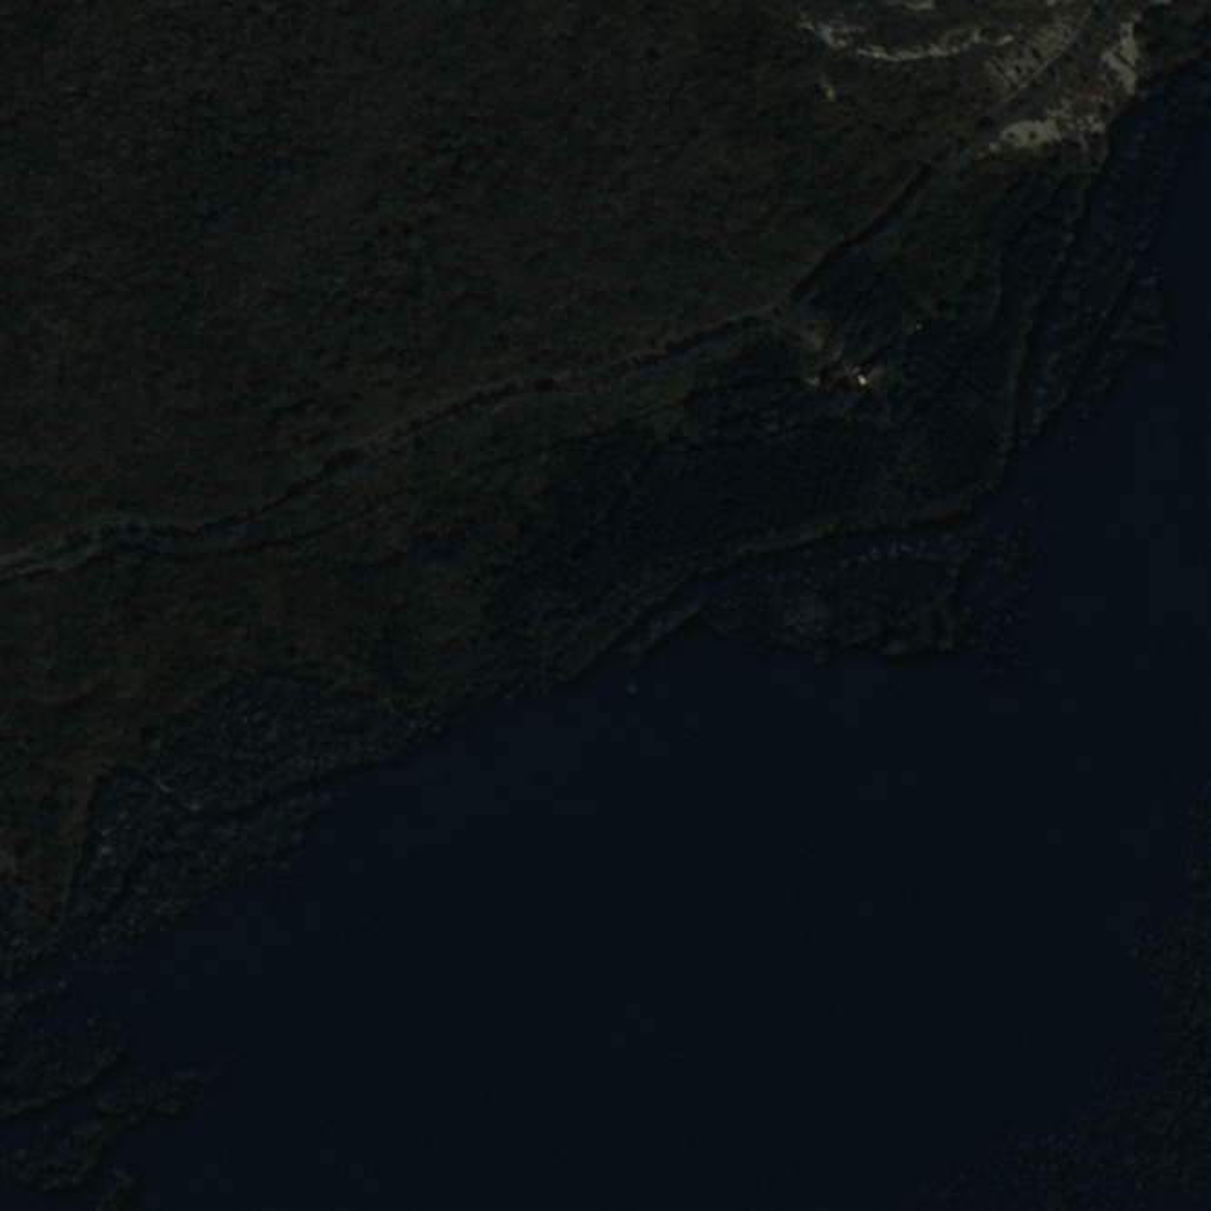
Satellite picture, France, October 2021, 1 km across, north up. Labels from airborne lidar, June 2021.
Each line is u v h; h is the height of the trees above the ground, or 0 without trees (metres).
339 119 14
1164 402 6
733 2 20
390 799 15
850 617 19
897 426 9
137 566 16
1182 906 20
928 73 21
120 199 14
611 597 14
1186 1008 26
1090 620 24
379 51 16
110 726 26
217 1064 21
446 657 13
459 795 9
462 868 21
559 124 13
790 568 19
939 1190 17
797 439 22
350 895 24
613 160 17
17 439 14
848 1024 19
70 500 12
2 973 9
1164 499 16
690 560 18
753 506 26
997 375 19
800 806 22
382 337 12
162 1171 28
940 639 17
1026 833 25
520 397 18
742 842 22
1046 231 24
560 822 24
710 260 17
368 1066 22
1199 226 28
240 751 17
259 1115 25
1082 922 20
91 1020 27
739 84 24
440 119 18
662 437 11
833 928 26
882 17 10
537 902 19
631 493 15
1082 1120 19
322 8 12
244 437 20
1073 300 21
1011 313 21
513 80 15
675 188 16
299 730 15
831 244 10
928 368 24
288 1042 24
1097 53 8
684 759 0
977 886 22
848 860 26
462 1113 22
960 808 30
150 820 13
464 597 16
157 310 14
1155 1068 27
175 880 20
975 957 29
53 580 17
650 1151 22
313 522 15
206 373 16
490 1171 24
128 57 12
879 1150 20
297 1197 24
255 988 23
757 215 16
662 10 19
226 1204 27
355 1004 22
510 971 17
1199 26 22
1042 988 32
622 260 14
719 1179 23
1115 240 22
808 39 22
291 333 13
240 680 15
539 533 22
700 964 17
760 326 10
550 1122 20
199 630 26
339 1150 24
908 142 23
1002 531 25
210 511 14
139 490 14
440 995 18
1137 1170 26
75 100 15
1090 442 21
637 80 12
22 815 15
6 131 16
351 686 12
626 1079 21
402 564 22
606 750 32
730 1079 22
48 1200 15
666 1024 24
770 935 19
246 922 16
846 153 21
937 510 23
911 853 27
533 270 16
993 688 25
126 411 15
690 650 0
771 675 17
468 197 19
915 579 22
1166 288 27
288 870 20
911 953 21
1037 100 8
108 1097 26
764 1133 24
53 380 17
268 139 16
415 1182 25
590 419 16
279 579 21
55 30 18
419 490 9
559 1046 20
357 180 17
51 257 18
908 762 25
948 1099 18
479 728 15
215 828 14
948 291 22
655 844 24
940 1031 18
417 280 15
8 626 14
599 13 15
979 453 25
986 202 19
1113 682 18
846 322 19
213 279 15
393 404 9
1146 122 23
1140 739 19
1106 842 22
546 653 17
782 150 21
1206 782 19
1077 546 27
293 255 17
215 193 11
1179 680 24
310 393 17
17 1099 13
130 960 18
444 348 17
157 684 27
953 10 14
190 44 17
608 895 27
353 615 23
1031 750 24
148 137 17
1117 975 9
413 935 23
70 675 19
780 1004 25
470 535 13
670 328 14
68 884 15
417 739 16
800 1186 27
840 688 9
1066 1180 18
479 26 17
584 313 16
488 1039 25
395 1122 24
